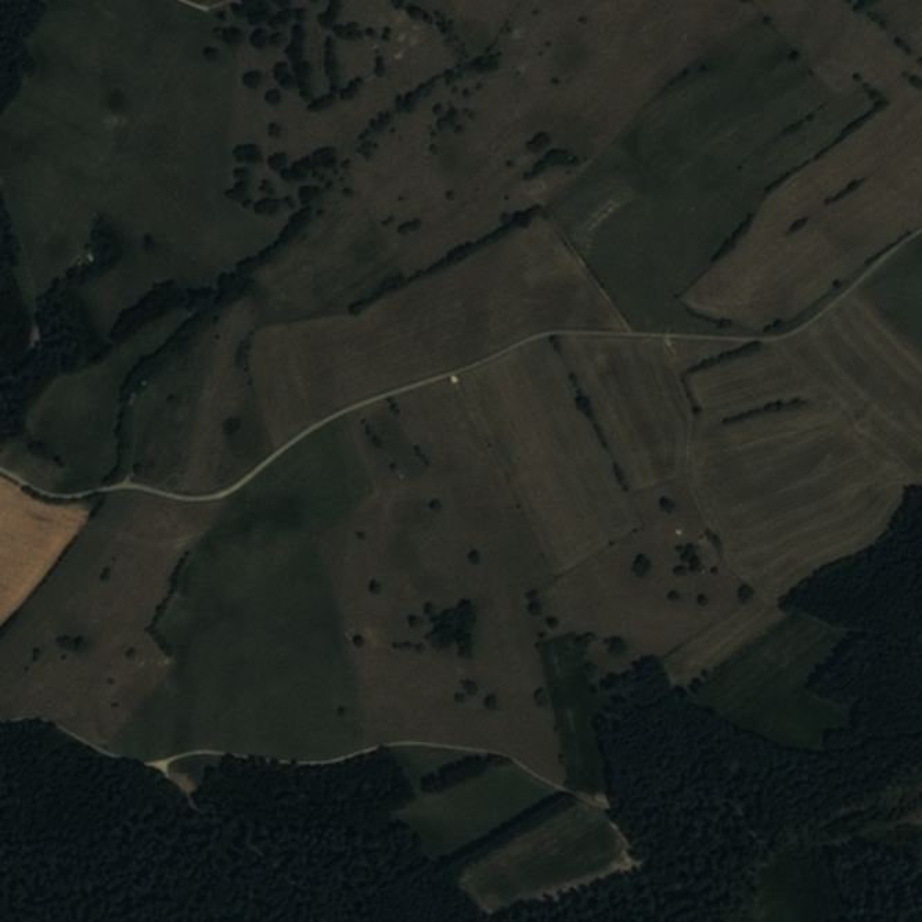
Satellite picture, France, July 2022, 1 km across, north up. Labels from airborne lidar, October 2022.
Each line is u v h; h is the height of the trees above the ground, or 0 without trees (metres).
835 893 6
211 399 0
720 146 0
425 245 0
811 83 0
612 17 0
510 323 0
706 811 27
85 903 24
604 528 0
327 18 11
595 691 15
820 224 0
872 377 0
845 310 0
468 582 0
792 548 0
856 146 0
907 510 17
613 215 0
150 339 0
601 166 0
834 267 0
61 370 16
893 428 0
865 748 22
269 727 0
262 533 0
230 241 0
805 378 0
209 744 0
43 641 0
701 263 0
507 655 0
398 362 0
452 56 0
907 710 19
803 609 13
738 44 0
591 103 0
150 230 0
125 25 0
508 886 0
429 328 0
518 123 0
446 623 10
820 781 28
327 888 31
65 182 0
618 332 0
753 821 18
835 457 0
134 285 0
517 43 0
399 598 0
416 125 0
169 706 0
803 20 0
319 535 0
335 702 0
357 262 0
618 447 0
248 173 9
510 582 0
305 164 10
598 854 0
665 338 0
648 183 0
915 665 17
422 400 0
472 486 0
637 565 7
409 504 0
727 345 0
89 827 20
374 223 0
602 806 0
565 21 0
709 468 0
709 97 0
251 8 9
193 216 0
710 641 0
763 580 0
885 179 0
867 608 17
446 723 0
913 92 0
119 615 0
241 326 0
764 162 0
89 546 0
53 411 0
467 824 0
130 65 0
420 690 0
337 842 32
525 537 0
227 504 0
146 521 0
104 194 0
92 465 0
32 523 0
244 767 17
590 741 0
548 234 0
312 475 0
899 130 0
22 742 17
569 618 0
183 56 0
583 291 0
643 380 0
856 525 0
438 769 0
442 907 24
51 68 0
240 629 0
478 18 0
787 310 0
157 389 0
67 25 0
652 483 0
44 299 6
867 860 33
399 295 0
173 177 0
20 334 7
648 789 27
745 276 0
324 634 0
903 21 0
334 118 0
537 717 0
